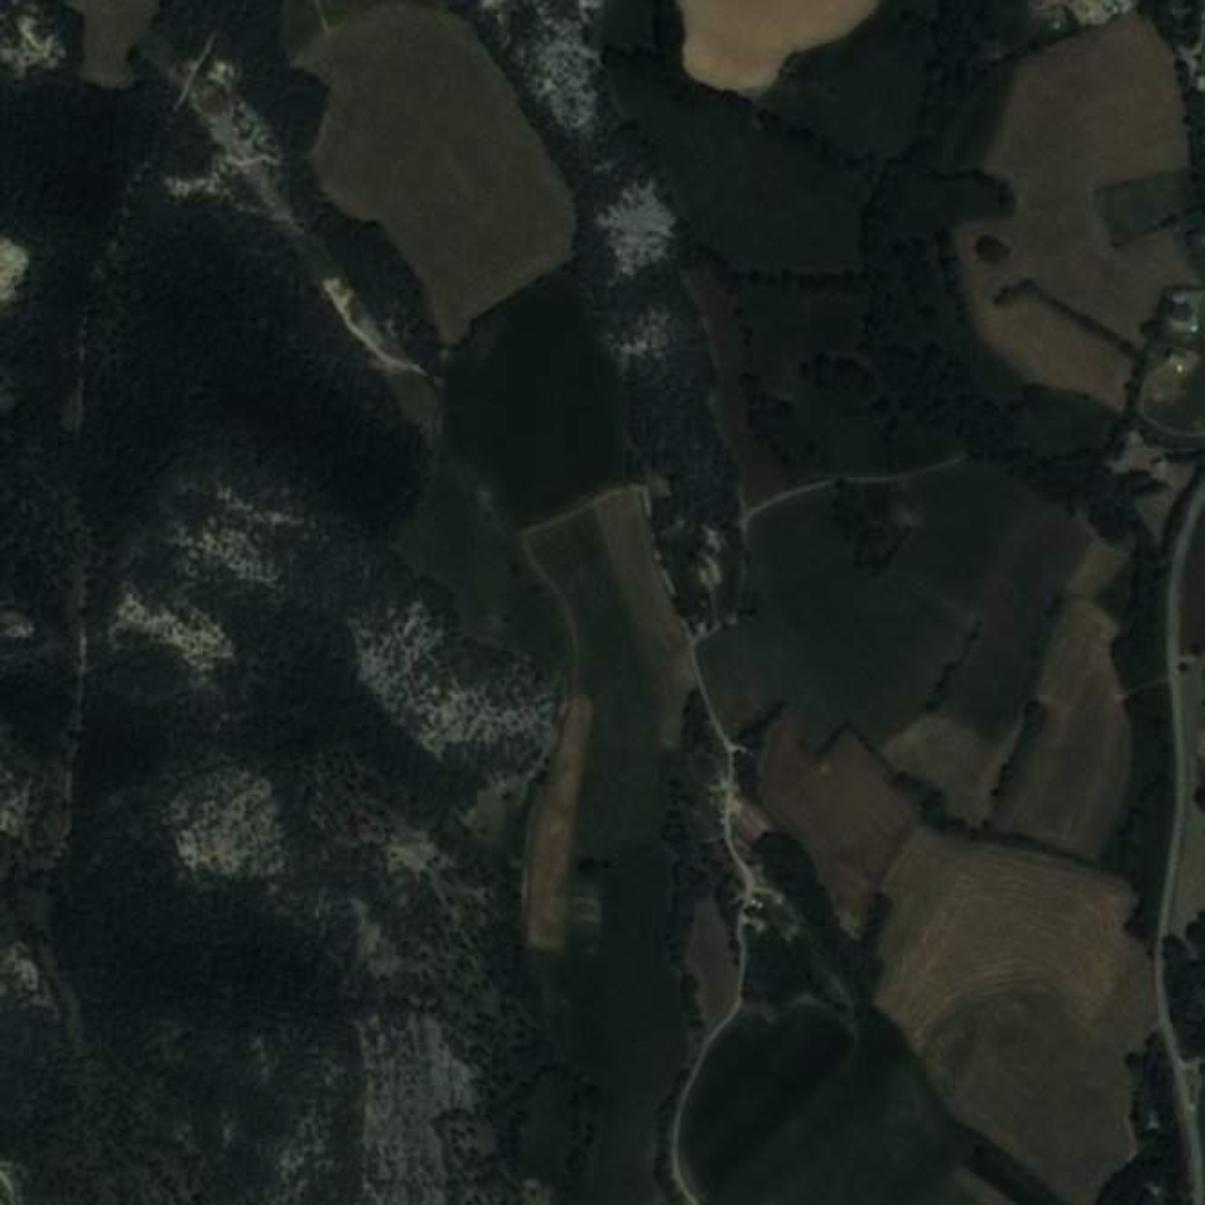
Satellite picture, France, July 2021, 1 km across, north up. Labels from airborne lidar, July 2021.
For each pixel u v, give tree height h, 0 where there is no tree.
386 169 0
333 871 6
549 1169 0
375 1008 7
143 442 14
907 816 0
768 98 0
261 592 6
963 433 14
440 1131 8
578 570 0
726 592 0
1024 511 0
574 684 0
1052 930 0
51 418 8
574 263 7
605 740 0
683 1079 8
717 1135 0
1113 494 8
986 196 0
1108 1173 0
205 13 9
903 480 0
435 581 10
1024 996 0
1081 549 0
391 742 15
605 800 0
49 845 8
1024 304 0
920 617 0
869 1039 0
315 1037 7
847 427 0
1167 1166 15
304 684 12
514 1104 16
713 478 7
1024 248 0
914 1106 0
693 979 9
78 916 11
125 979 10
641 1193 0
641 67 21
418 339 11
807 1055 0
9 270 0
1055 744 0
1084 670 0
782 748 0
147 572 6
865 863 0
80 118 14
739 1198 0
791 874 12
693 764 0
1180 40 13
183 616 5
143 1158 6
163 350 13
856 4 0
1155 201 0
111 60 0
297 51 0
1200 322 0
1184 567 0
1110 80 0
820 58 0
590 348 0
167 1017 7
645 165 9
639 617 0
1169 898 0
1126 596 0
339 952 9
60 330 9
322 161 0
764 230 0
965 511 0
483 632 0
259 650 11
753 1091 0
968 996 0
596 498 0
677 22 24
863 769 0
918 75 0
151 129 10
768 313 0
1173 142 0
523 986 14
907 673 0
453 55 0
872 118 0
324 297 8
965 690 0
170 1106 9
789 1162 0
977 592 0
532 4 7
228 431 10
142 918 10
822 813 0
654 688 0
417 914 6
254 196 5
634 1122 0
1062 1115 0
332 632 11
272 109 9
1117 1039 0
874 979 11
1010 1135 0
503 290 0
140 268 9
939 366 19
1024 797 0
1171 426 0
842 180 0
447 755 6
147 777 9
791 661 0
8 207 7
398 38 0
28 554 6
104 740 14
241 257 11
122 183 10
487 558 0
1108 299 0
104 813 7
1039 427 0
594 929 0
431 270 0
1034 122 0
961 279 20
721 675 0
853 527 14
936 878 0
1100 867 0
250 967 10
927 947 0
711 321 0
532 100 6
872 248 22
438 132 0
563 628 0
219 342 9
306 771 8
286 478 13
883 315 18
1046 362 0
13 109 9
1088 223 0
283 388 14
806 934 0
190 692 6
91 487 10
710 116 0
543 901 0
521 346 0
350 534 9
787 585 0
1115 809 0
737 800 0
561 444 0
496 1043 13
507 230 0
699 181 0
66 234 10
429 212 0
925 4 0
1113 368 0
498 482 0
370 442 10
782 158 0
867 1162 0
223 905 6
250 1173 6
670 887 0
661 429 10
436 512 0
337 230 11
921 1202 0
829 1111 0
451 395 0
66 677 6
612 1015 0
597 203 7
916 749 0
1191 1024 19
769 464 0
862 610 0
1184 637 0
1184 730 0
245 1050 6
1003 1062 0
